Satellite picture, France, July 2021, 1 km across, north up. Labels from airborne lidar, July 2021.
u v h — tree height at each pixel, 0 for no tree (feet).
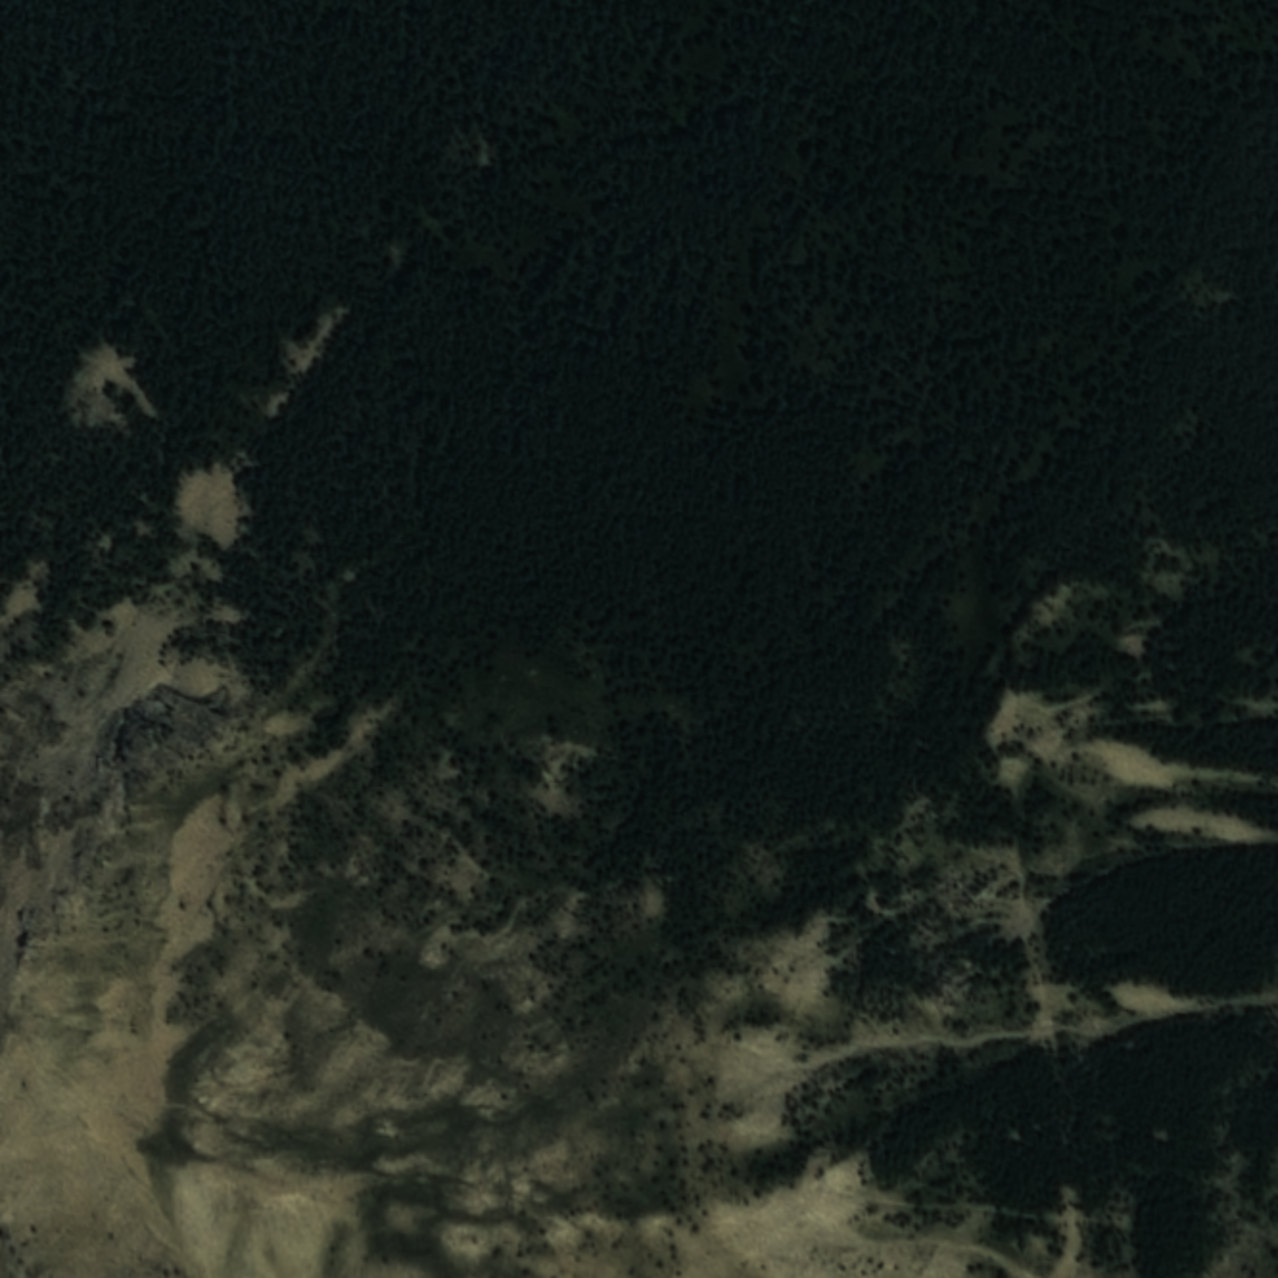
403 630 28
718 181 59
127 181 31
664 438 52
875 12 32
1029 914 0
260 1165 0
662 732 37
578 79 75
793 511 45
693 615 39
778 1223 0
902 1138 32
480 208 41
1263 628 50
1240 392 86
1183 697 40
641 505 49
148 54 32
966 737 43
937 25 51
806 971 0
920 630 49
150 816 0
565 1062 0
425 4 38
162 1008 0
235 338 59
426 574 38
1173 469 48
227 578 22
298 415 33
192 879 0
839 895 29
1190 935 56
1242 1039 45
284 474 32
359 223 34
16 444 26
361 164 70
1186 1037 49
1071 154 56
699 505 52
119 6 65
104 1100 0
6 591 29
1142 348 58
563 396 44
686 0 76
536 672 0
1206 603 47
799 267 42
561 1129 0
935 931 19
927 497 47
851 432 37
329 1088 0
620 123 72
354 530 42
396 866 21
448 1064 0
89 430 22
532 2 64
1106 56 44
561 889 0
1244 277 64
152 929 0
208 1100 0
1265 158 69
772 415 47
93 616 23
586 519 31
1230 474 66
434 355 66
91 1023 0
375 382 50
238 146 51
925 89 63
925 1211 24
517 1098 0
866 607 51
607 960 20
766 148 54
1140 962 51
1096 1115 21
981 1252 0
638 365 37
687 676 37
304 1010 0
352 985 0
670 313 64
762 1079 0
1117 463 57
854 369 42
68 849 0
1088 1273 0
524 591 30
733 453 45
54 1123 0
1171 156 48
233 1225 0
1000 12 42
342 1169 0
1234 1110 28
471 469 49
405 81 65
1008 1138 33
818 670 38
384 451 60
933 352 49
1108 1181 33
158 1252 0
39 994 0
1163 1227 50
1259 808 39
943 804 30
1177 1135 53
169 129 32
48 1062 0
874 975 30
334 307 0
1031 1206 28
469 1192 0
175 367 48
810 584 38
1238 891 58
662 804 31
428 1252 0
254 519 24
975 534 42
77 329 25
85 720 0
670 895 17
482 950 0
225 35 41
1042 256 31
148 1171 0
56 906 0
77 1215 0
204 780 0
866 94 48
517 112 51
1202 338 65
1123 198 61
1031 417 39
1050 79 70
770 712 31
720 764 28
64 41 41
